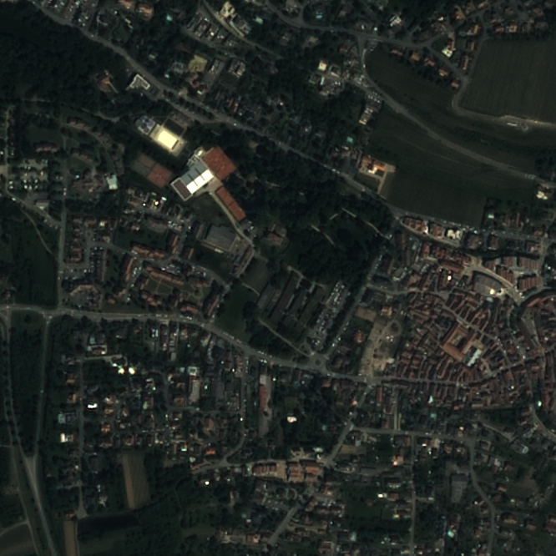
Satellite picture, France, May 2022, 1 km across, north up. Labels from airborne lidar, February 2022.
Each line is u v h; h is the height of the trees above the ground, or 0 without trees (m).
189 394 0
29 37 0
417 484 12
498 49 0
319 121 9
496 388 0
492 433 0
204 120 0
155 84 0
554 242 0
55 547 0
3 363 15
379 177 0
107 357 0
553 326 0
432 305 0
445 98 0
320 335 0
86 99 25
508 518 0
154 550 7
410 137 0
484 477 0
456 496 0
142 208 0
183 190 0
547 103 0
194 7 9
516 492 0
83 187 0
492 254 12
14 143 12
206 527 0
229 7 0
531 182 0
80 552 0
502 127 0
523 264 0
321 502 0
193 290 0
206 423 0
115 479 12
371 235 0
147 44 6
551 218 0
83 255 6
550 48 0
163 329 0
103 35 15
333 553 0
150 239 0
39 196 0
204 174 0
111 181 0
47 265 0
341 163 14
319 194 25
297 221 34
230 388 0
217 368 0
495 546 0
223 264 0
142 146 6
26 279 0
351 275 8
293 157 18
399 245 0
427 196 0
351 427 0
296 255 0
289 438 14
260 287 0
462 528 10
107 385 8
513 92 0
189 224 0
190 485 8
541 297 0
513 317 11
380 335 0
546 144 0
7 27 0
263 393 0
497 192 0
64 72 25
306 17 11
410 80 0
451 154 0
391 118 0
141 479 0
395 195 0
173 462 0
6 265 8
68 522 0
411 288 0
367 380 0
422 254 0
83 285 0
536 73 0
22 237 0
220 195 0
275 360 0
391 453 0
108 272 0
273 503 0
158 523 6
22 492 0
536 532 0
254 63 12
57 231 0
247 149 28
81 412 0
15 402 7
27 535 0
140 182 0
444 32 0
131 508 0
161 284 0
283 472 0
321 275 23
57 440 0
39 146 0
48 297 0
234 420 0
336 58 0
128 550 0
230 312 0
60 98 18
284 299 0
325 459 0
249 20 7
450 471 0
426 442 0
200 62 0
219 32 0
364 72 0
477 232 0
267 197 20
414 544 0
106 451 10
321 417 10
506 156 0
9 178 0
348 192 0
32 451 10
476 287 0
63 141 0
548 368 0
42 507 0
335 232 0
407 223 0
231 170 0
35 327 0
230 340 0
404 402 0
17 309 0
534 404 12
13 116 10
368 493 0
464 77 0
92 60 19
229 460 7
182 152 0
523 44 0
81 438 0
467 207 0
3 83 0
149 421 0
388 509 0
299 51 14
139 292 0
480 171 0
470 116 0
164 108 23
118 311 0
